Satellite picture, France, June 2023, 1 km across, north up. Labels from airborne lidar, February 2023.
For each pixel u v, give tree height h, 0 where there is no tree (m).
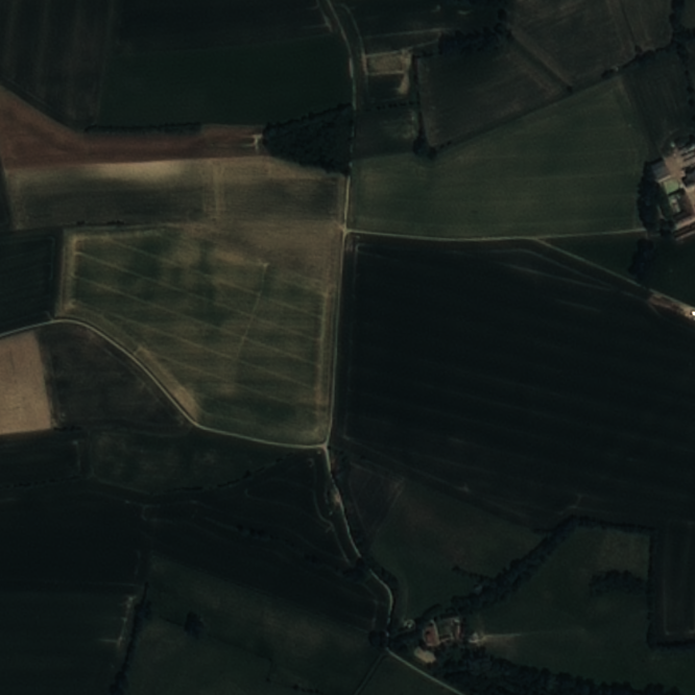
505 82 0
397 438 0
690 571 0
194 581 0
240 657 0
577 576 0
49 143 0
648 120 0
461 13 0
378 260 0
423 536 0
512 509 0
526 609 0
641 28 0
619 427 0
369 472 0
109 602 0
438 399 0
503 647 0
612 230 0
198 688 0
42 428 0
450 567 0
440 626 0
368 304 0
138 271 0
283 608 0
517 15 0
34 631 0
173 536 0
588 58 0
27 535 0
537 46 0
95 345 0
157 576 0
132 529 0
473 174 0
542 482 0
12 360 0
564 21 0
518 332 0
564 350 0
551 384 0
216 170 0
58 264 0
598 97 0
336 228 0
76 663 0
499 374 0
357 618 0
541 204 0
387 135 0
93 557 0
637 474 0
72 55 0
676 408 0
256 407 0
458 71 0
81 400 0
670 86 0
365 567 16
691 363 0
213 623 0
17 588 0
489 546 0
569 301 0
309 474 0
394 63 0
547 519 0
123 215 0
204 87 0
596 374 0
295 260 0
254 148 0
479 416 0
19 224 0
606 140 0
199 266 0
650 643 12
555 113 0
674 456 0
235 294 0
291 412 0
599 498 0
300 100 0
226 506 0
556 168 0
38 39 0
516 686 14
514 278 0
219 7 0
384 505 0
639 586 10
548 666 0
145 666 0
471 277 0
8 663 0
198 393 0
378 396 0
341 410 0
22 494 0
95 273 0
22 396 0
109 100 0
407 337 0
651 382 0
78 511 0
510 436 0
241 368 0
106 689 0
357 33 0
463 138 0
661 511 0
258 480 0
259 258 0
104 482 0
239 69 0
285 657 0
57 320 0
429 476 0
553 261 0
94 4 0
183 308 0
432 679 0
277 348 0
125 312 0
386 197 0
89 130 6
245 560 0
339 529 0
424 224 0
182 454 0
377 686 0
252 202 0
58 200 0
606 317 0
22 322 0
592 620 0
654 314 0
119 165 0
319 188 0
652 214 25
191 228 0
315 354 0
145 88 0
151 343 0
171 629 0
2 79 0
